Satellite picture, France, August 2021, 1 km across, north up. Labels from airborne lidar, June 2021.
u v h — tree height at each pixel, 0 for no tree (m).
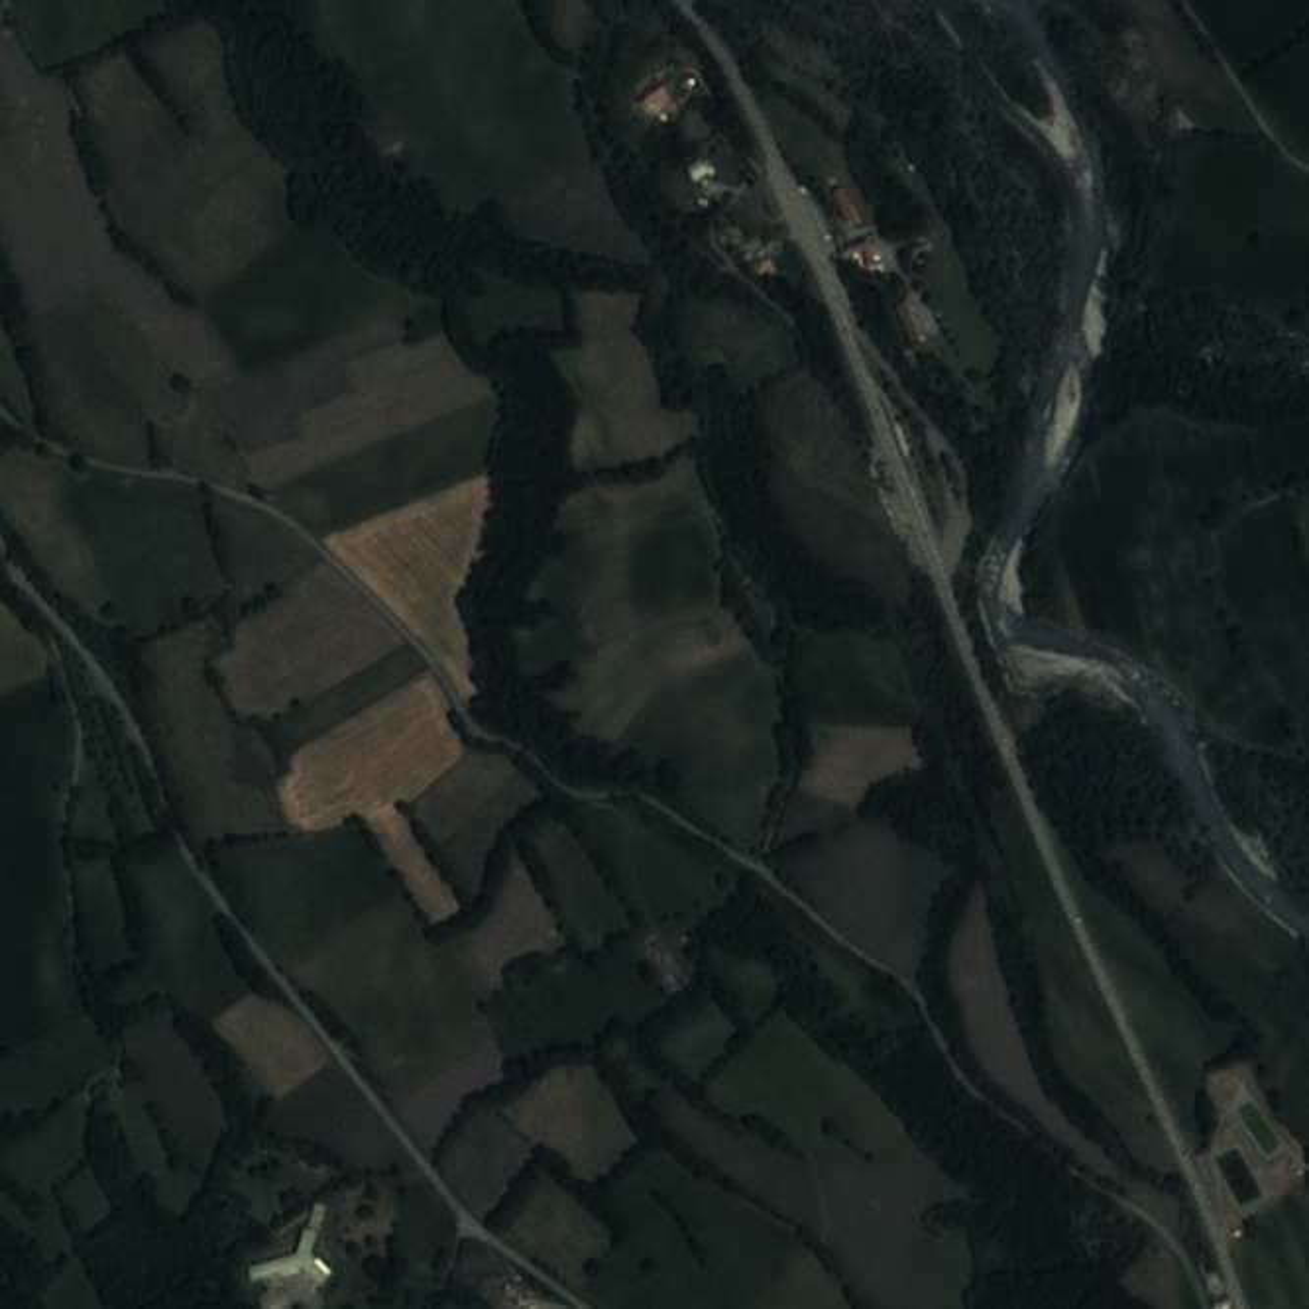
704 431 7
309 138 22
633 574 0
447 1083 0
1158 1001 0
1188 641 0
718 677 0
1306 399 8
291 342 0
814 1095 0
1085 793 17
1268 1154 0
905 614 11
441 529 0
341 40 0
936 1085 15
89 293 0
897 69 12
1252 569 0
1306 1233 0
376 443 0
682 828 12
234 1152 13
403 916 0
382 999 0
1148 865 0
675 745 0
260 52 21
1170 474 0
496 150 0
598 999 0
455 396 0
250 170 0
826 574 17
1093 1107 14
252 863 0
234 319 0
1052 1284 15
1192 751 0
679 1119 0
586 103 10
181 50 0
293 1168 0
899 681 0
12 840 0
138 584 0
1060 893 0
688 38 21
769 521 20
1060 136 0
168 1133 11
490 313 0
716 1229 0
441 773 0
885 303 17
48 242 0
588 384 0
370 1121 0
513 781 0
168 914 0
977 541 9
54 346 0
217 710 0
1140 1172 9
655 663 0
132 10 0
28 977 0
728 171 0
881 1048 18
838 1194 0
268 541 0
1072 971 0
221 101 0
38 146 0
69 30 0
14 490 0
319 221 16
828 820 0
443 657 0
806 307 18
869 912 0
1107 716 6
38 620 13
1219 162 0
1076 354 0
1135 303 6
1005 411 6
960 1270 0
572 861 0
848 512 0
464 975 0
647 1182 0
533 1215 0
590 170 0
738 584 15
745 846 0
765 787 0
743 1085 0
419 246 23
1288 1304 0
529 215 0
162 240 0
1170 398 9
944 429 12
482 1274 0
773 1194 0
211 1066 14
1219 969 0
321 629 0
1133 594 0
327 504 0
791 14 14
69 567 0
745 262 8
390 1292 8
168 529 0
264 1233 10
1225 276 0
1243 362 7
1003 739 0
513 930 0
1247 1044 9
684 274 13
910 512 0
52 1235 0
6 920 0
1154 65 0
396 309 0
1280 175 0
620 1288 0
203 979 0
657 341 11
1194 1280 0
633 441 0
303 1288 0
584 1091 0
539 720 13
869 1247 0
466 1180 0
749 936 12
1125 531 0
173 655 0
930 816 19
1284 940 0
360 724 0
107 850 14
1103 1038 0
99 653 10
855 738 0
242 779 0
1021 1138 18
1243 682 0
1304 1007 0
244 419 0
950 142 15
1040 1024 14
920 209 14
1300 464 0
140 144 0
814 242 0
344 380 0
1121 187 11
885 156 10
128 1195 18
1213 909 0
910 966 0
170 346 0
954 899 12
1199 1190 0
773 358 0
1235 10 0
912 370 17
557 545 13
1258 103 0
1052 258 6
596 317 0
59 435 8
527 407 13
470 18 0
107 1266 17
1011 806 0
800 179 10
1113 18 8
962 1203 9
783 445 0
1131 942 0
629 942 9
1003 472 19
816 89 0
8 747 0
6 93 0
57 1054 0
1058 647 0
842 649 0
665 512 0
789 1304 0
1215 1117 12
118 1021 13
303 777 0
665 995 7
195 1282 19
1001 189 9
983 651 14
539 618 17
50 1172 0
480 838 0
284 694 0
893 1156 0
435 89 0
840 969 0
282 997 9
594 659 0
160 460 12
